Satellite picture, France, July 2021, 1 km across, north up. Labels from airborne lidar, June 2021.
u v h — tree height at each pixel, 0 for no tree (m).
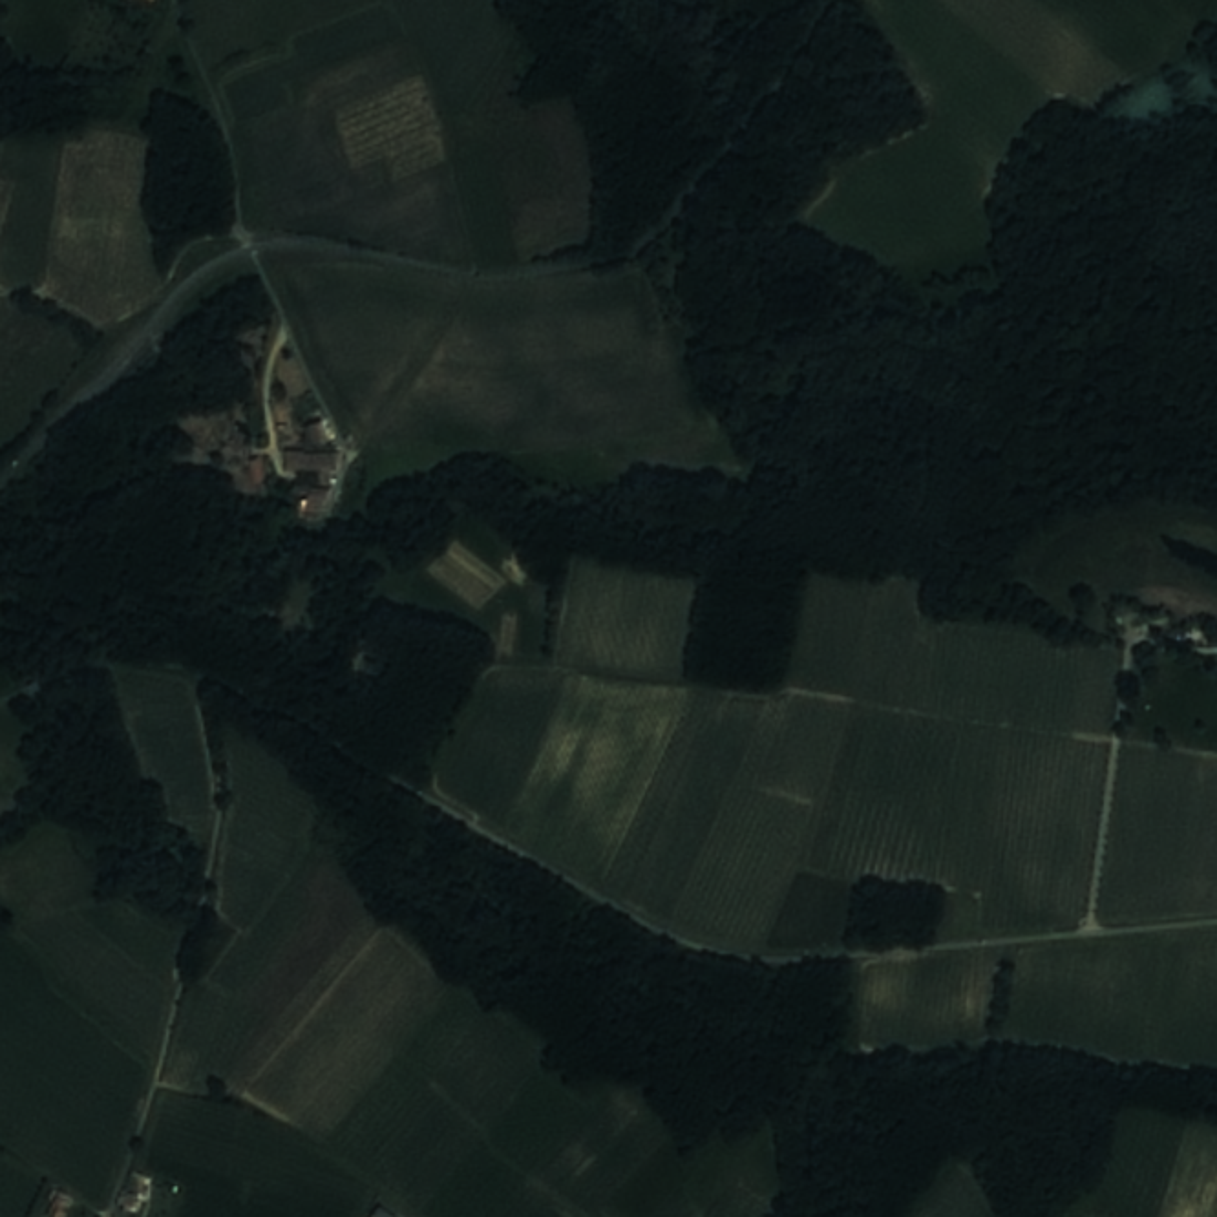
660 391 0
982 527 17
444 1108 0
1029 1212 7
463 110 0
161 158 20
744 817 0
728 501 25
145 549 24
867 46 17
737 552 17
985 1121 15
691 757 0
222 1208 0
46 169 0
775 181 16
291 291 0
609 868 0
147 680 0
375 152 0
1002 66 0
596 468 0
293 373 0
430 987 0
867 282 22
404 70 0
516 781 0
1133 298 23
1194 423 13
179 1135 0
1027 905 0
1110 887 0
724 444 0
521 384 0
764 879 0
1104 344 16
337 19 0
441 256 0
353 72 0
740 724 0
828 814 0
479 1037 0
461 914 23
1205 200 25
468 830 16
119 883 21
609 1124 0
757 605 13
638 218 22
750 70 23
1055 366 23
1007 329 24
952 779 0
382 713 22
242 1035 0
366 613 17
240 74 0
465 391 0
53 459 16
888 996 0
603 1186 0
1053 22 0
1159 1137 0
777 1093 17
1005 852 0
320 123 0
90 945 0
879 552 22
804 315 18
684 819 0
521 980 21
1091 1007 0
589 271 13
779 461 12
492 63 0
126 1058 0
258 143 0
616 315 0
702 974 13
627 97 20
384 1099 0
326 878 0
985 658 0
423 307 0
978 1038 0
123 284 0
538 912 7
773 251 18
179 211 21
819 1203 21
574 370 0
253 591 16
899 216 0
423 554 21
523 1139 0
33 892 0
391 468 0
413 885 10
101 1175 0
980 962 0
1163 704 0
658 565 22
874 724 0
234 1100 7
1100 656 0
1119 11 0
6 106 25
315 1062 0
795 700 0
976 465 23
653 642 0
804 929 0
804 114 24
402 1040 0
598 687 0
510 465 8
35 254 0
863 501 21
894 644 0
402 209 0
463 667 17
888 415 23
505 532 13
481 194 0
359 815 20
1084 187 11
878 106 23
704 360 23
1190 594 0
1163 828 0
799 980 17
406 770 10
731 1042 17
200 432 0
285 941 0
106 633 13
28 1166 0
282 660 15
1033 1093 12
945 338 27
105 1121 0
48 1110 0
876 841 0
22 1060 0
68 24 0
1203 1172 0
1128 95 13
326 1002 0
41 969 0
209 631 19
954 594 20
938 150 0
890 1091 15
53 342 0
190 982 7
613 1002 19
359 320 0
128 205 0
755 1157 0
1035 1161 9
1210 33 13
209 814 0
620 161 23
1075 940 0
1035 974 0
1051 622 9
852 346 25
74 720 32
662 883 0
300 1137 0
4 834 6
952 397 20
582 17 16
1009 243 22
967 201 0
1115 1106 15
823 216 0
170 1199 0
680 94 22
